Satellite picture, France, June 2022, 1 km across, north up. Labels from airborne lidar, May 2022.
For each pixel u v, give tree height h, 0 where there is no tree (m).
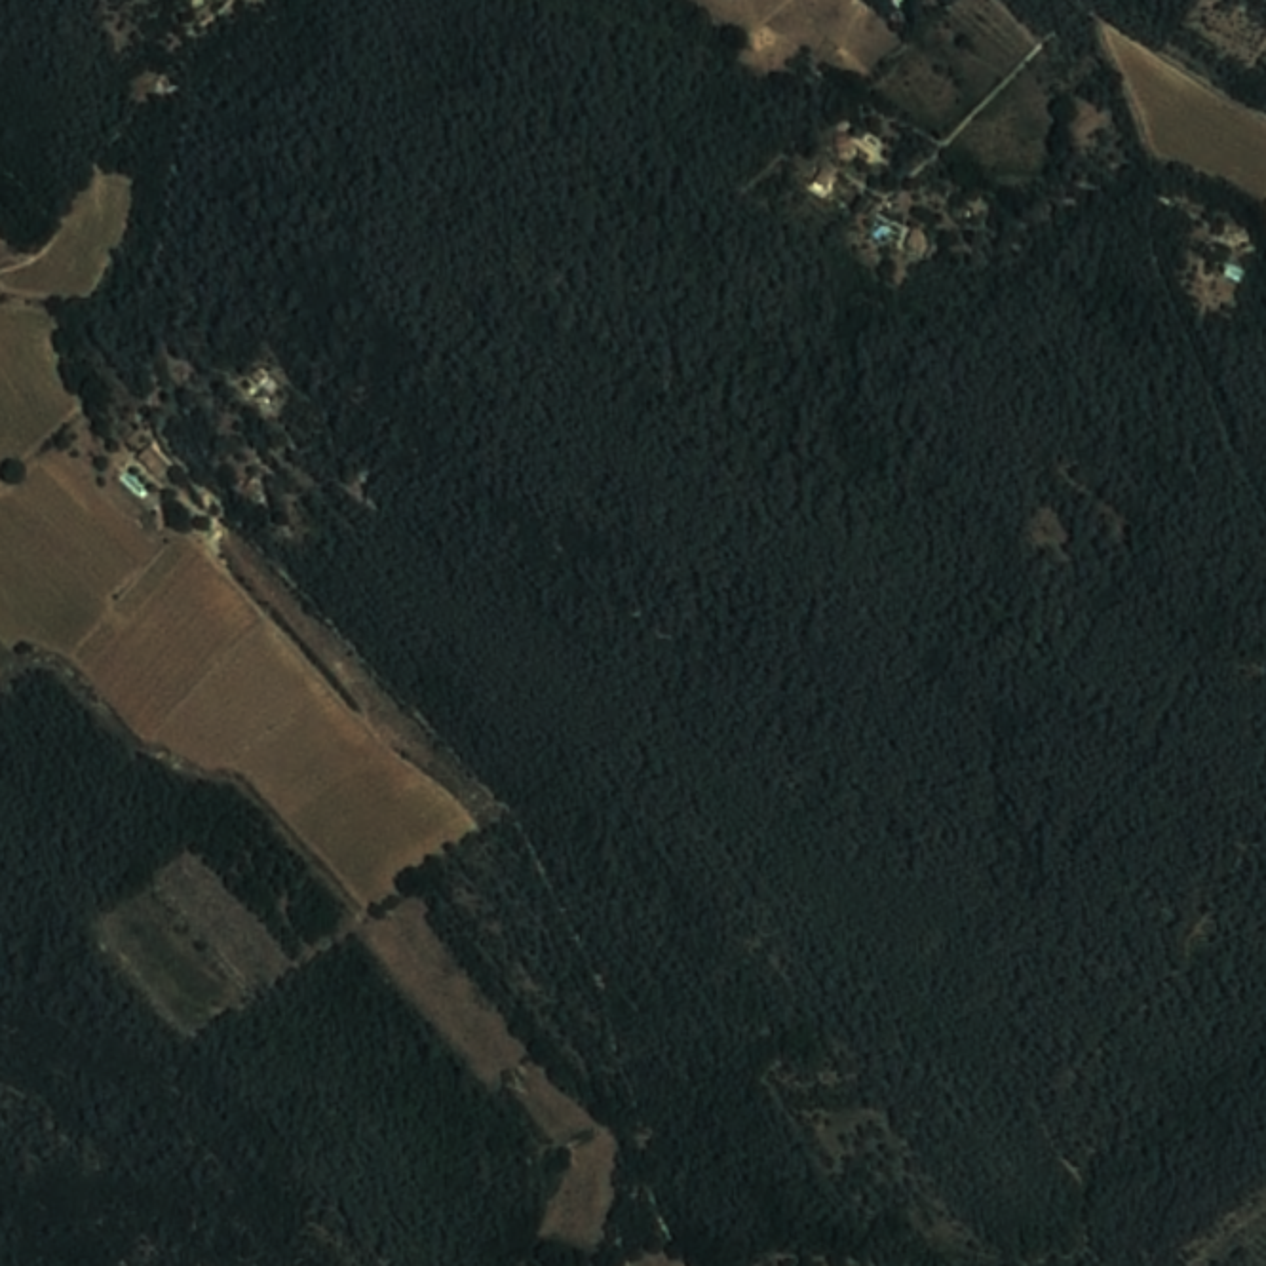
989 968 15
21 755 19
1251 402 19
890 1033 17
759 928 14
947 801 22
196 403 22
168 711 0
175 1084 8
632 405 15
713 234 18
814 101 22
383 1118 16
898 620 16
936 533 18
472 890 12
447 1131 17
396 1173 16
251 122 8
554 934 9
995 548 16
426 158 17
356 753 0
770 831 13
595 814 17
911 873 15
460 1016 0
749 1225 20
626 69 15
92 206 0
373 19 15
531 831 8
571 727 19
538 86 8
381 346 8
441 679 11
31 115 9
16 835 21
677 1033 20
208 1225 19
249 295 8
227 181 8
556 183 18
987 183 10
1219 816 16
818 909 9
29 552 0
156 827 19
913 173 16
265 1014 10
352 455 16
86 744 18
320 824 0
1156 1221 13
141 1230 7
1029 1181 10
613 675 17
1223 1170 15
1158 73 0
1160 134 0
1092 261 19
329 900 9
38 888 21
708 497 17
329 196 11
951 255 7
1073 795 19
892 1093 9
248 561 0
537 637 20
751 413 20
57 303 12
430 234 16
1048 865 21
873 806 21
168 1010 0
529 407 20
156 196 8
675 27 13
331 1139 16
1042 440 17
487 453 20
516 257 17
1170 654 19
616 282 20
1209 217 12
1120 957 20
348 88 16
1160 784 14
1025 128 0
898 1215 10
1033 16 13
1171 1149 16
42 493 0
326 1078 15
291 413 8
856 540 19
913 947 10
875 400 21
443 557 15
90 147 18
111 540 0
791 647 20
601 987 9
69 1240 7
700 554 19
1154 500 20
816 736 21
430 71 8
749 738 16
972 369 17
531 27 15
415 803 0
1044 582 16
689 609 22
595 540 8
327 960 11
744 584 20
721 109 16
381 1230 17
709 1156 16
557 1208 0
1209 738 17
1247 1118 17
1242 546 19
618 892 18
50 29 7
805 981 16
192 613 0
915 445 18
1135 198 16
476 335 20
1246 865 8
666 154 19
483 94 22
